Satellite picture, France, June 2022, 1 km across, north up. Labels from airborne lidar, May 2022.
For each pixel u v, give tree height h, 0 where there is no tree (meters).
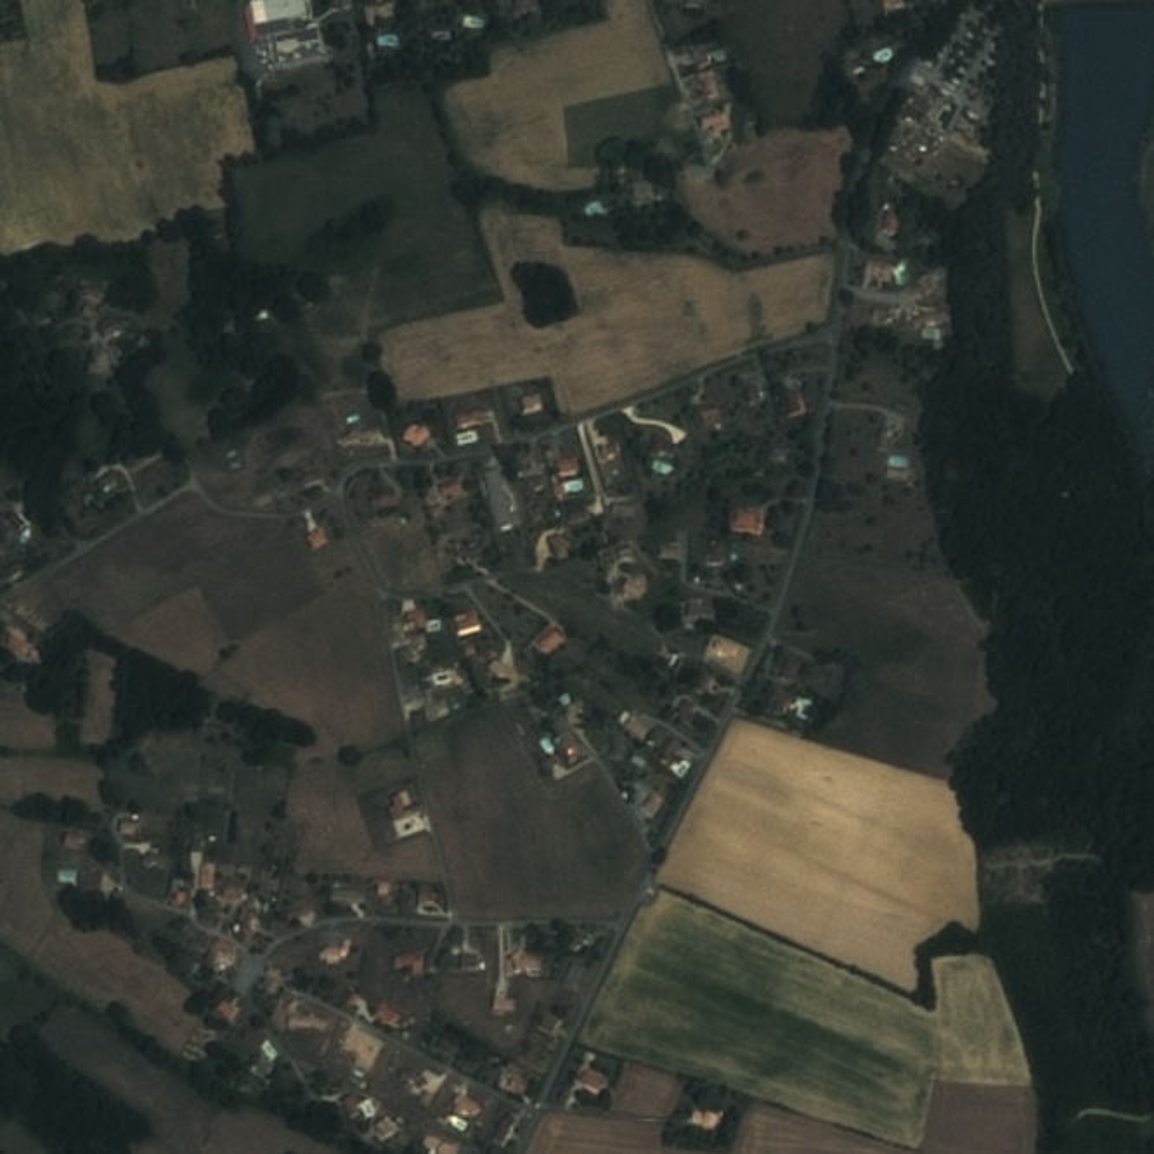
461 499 0
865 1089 0
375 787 0
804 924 0
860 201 16
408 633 0
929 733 0
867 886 0
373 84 12
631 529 0
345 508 0
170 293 0
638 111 0
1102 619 18
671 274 0
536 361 0
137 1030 10
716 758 0
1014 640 14
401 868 0
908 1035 0
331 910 7
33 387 20
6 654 15
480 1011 0
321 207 0
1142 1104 25
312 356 0
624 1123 0
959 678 0
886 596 0
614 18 0
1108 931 20
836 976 0
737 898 0
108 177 0
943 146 0
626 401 0
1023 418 23
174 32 0
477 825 0
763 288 0
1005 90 18
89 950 0
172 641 0
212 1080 15
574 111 0
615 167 8
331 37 13
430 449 0
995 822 14
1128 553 17
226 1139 0
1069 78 0
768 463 6
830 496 15
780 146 0
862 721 0
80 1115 14
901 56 10
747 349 0
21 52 0
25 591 0
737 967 0
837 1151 0
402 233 0
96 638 8
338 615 0
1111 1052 14
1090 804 16
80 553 0
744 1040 0
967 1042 0
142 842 0
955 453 19
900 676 0
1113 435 17
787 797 0
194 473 0
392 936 10
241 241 11
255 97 10
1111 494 16
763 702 10
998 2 8
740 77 17
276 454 0
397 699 0
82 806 15
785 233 0
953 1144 0
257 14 0
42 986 8
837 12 0
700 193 0
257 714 14
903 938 0
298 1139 0
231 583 0
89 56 0
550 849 0
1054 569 18
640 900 0
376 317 0
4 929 0
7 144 0
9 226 0
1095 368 12
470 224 0
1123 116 0
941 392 18
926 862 0
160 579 0
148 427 19
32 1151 0
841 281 0
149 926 0
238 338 15
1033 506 18
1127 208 0
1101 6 0
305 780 0
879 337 9
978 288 22
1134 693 35
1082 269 0
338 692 0
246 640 0
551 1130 0
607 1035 0
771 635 0
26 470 12
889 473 0
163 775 0
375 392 15
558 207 0
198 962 7
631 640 0
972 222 22
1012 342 19
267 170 0
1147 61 0
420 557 0
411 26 16
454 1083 0
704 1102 14
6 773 0
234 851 0
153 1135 8
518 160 0
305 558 0
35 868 0
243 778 0
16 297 13
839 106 16
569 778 0
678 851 0
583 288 0
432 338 0
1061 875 9
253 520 0
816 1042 0
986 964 0
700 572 16
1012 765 15
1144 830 23
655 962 0
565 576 0
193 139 0
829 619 0
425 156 0
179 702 20
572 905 0
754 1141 0
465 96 0
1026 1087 0
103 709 0
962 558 18
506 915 0
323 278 18
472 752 0
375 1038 0
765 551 0
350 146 0
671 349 0
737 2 0
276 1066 9
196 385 0
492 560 6
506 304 0
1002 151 21
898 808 0
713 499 11
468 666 8
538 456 0
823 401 0
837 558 0
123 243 12
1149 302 0
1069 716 21
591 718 7
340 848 0
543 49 0
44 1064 20
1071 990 7
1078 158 0
